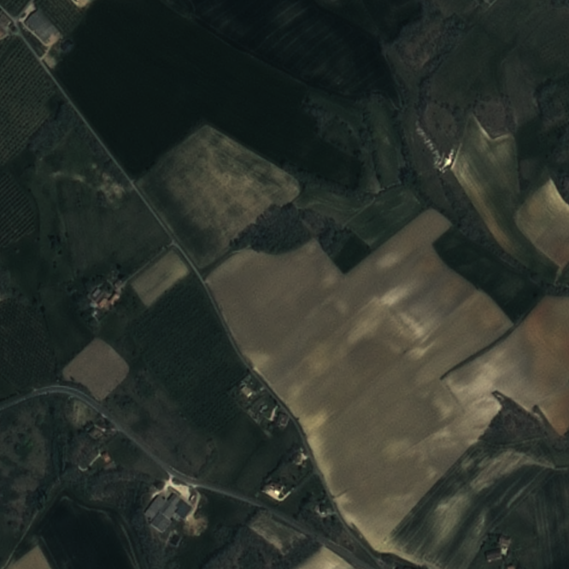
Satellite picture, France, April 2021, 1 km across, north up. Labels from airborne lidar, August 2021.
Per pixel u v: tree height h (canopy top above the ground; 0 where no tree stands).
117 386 0
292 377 0
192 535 0
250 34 0
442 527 0
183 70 0
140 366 0
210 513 0
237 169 0
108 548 0
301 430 0
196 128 9
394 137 0
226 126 0
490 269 0
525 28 0
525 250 0
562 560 0
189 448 0
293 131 0
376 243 0
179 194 0
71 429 0
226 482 0
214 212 0
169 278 0
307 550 21
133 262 0
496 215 0
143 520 20
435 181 0
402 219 0
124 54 0
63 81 0
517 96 0
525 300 0
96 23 0
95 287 11
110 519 0
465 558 0
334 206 0
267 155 0
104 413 0
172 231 0
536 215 0
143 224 0
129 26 0
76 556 0
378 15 0
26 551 0
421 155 0
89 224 0
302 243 15
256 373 0
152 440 0
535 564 0
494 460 0
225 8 0
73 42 0
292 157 0
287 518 0
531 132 0
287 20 0
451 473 0
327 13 0
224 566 11
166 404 0
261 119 0
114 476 14
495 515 0
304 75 0
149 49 0
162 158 0
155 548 15
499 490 0
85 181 0
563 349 0
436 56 15
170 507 0
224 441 0
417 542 0
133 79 0
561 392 0
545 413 0
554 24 0
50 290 0
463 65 0
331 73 0
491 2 0
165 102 0
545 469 0
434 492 0
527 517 0
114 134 0
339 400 0
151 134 0
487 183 0
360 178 15
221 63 0
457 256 0
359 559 0
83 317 9
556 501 0
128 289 0
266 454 0
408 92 8
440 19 11
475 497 0
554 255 0
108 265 0
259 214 0
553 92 17
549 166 0
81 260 0
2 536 0
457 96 0
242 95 0
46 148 20
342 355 0
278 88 0
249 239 19
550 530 0
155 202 0
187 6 0
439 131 10
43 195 0
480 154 0
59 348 0
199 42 0
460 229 12
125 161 0
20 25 9
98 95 0
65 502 0
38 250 0
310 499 16
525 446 0
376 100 13
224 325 0
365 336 0
